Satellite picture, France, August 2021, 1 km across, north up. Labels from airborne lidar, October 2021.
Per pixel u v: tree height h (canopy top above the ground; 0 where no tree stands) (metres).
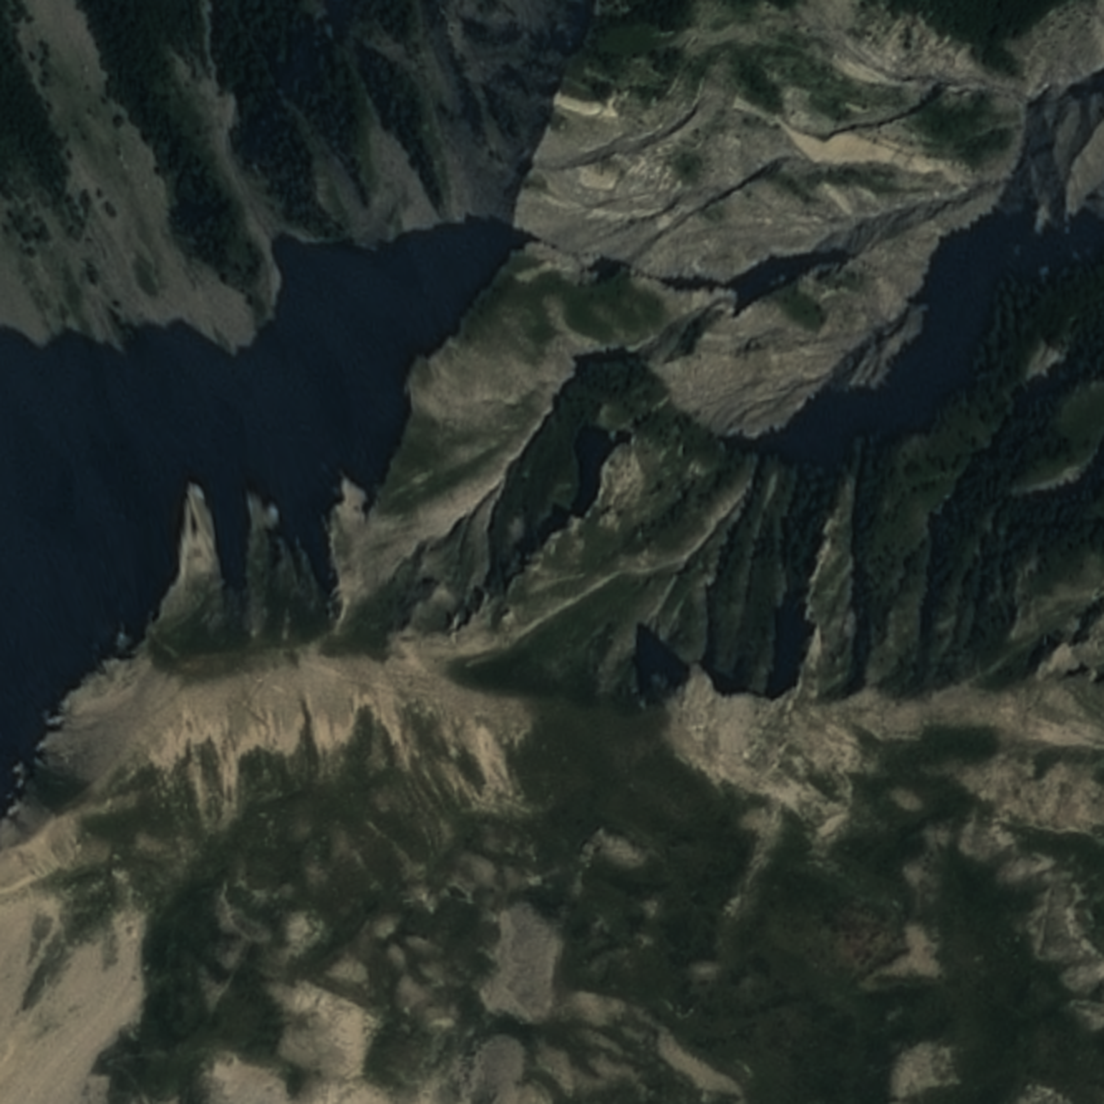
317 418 0
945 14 14
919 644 0
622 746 0
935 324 0
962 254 0
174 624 0
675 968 0
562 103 0
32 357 0
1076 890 0
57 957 0
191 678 0
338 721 0
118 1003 0
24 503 0
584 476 0
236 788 0
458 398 0
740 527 7
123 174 0
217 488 0
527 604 0
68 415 0
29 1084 0
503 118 9
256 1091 0
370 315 0
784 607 0
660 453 0
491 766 0
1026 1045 0
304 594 0
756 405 0
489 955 0
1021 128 0
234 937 0
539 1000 0
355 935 0
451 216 0
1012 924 0
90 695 0
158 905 0
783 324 0
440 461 0
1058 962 0
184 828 0
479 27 9
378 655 0
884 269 0
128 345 0
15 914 0
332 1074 0
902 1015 0
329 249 0
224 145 0
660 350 0
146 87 8
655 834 0
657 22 15
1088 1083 0
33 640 0
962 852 0
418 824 0
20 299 0
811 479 11
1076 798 0
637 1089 0
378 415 0
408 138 14
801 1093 0
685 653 0
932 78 0
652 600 0
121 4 6
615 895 0
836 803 0
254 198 0
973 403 7
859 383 0
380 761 0
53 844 0
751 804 0
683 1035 0
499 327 0
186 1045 0
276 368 0
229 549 0
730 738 0
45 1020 0
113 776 0
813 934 0
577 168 0
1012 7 21
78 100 0
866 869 0
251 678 0
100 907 0
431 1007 0
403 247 0
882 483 7
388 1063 0
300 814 0
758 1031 0
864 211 0
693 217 0
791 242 0
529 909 0
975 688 0
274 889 0
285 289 0
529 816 0
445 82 0
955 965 0
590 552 0
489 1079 0
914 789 0
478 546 0
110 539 0
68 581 0
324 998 0
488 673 0
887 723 0
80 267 0
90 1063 0
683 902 0
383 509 0
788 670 0
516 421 0
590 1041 0
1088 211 0
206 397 0
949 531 6
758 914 0
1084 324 9
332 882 0
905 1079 0
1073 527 9
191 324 0
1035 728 0
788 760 0
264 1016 0
